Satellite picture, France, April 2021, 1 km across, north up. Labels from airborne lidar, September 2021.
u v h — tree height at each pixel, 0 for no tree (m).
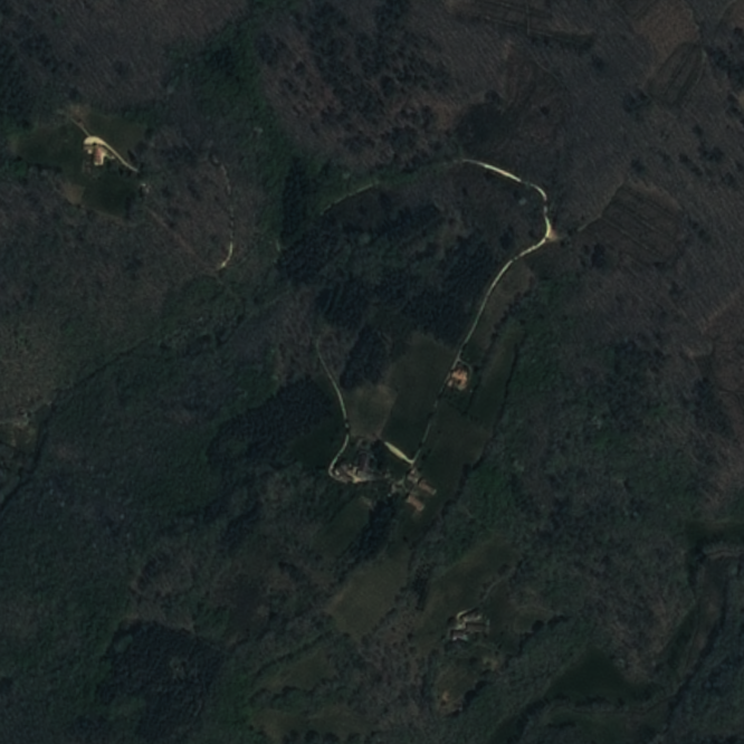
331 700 14
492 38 17
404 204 14
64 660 19
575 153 14
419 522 0
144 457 19
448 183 17
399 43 14
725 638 20
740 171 17
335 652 18
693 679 14
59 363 15
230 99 18
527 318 26
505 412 18
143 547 19
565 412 20
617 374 19
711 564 23
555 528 7
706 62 7
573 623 21
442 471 0
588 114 12
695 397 21
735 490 24
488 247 14
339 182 23
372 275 21
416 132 11
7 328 12
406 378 0
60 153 0
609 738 0
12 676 20
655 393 25
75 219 21
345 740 0
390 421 0
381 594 0
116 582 17
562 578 29
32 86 18
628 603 17
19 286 14
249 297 20
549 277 6
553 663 23
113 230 17
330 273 21
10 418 19
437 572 17
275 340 16
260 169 23
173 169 26
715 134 17
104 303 19
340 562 9
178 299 20
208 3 14
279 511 11
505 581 16
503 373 0
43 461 16
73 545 17
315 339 7
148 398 15
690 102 12
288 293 15
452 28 16
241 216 16
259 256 17
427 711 18
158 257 18
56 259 18
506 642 0
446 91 17
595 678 0
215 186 15
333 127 17
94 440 18
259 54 19
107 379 21
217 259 15
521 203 20
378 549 22
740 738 13
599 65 18
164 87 19
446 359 0
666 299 12
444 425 0
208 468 13
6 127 21
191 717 16
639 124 17
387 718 20
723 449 18
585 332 19
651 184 18
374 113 18
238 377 23
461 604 0
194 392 17
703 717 18
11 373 13
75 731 18
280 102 16
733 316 9
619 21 15
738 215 17
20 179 20
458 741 13
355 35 15
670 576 20
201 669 13
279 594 8
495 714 23
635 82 15
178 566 19
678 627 18
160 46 18
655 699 23
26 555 15
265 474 17
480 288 16
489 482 19
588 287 13
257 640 6
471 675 0
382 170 17
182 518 19
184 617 17
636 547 22
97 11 21
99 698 18
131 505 22
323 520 11
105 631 21
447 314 13
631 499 29
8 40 27
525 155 6
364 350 15
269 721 0
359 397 0
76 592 20
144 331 14
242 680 19
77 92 20
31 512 15
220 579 8
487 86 14
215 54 22
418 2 15
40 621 19
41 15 19
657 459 25
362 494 9
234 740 25
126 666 19
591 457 25
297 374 13
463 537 20
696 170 15
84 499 17
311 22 13
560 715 0
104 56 21
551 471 22
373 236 12
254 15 17
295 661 18
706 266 20
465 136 5
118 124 0
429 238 16
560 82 17
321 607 15
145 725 18
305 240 19
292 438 15
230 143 20
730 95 11
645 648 24
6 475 14
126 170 7
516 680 17
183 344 14
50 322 16
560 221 14
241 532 19
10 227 20
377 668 11
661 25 5
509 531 24
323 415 12
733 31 17
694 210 21
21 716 18
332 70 13
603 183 18
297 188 30
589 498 24
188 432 19
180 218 20
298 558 6
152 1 17
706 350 14
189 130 21
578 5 14
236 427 19
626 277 14
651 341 12
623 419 29
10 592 17
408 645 13
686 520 23
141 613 20
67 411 22
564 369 14
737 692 24
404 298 18
